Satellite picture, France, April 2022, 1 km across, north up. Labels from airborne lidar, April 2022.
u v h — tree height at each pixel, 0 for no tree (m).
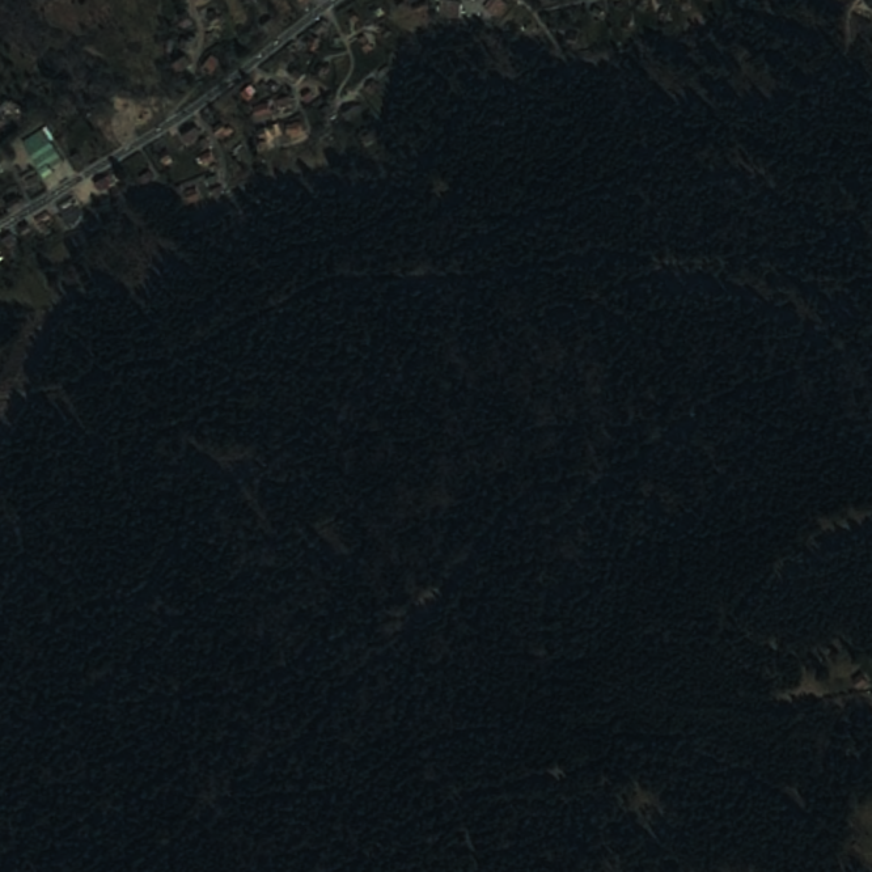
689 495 30
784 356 27
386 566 19
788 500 27
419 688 20
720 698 15
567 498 23
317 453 26
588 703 18
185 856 13
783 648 21
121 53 0
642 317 30
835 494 29
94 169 0
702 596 32
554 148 25
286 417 16
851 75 26
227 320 25
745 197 31
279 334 22
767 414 25
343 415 21
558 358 19
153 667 22
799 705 15
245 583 18
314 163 0
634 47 11
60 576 20
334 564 20
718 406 25
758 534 29
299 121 0
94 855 20
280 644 30
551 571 19
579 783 14
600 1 0
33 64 0
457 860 9
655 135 23
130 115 0
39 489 27
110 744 20
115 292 23
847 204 28
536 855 16
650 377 23
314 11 0
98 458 23
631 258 26
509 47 28
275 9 15
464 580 24
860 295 32
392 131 21
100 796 18
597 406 19
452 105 31
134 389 22
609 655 23
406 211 27
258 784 22
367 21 0
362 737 21
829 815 14
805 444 28
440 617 24
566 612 25
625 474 26
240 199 8
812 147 28
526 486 15
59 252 0
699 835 27
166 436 26
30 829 14
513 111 31
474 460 17
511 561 22
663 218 24
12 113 0
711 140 25
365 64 0
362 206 26
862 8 0
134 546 25
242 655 13
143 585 25
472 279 9
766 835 30
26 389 0
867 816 0
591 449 24
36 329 0
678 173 23
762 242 24
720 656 15
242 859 18
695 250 36
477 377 20
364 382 17
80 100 13
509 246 27
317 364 15
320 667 25
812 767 20
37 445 22
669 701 21
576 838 6
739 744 27
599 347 19
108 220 17
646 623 25
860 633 28
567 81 18
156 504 21
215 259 29
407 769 20
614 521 26
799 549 25
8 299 0
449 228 27
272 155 0
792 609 26
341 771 23
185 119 0
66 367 24
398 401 26
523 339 24
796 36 22
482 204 28
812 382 23
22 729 27
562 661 24
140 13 0
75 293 11
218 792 20
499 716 25
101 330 32
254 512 24
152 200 23
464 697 25
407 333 22
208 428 22
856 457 27
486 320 22
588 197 26
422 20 0
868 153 24
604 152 26
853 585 27
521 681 28
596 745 21
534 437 25
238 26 0
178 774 23
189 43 0
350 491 27
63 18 0
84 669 22
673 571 28
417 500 20
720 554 27
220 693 21
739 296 31
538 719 25
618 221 27
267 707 22
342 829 14
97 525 22
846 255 30
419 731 18
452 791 20
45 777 18
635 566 29
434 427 24
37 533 29
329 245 25
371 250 29
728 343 30
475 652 17
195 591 21
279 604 22
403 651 12
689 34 7
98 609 32
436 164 29
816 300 36
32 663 27
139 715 31
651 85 22
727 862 24
